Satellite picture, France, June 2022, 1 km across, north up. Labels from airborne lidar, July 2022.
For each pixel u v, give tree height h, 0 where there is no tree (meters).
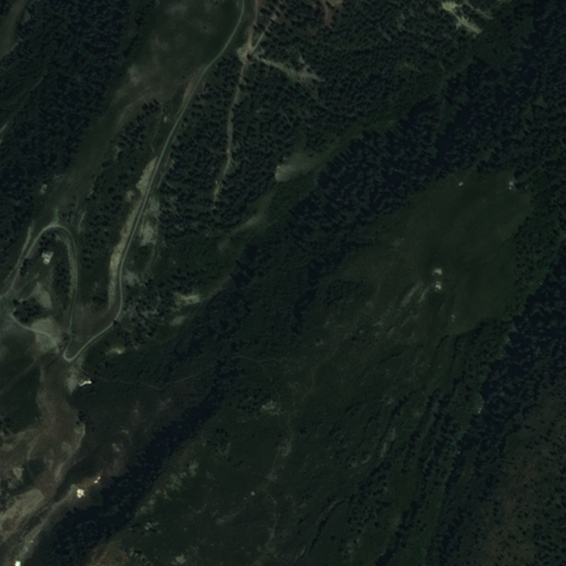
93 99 10
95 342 0
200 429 9
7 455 0
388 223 0
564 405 0
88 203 9
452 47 13
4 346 0
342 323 0
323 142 20
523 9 16
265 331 7
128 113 0
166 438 18
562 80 29
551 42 22
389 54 21
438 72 15
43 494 0
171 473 0
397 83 23
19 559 0
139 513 0
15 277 0
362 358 0
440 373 0
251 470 0
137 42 7
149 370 6
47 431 0
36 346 0
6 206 7
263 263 11
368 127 10
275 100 26
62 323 0
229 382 9
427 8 26
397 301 0
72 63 9
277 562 0
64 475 0
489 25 6
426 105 7
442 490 6
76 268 0
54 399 0
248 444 0
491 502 13
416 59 20
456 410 7
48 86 8
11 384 0
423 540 6
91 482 0
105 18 28
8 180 8
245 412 16
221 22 0
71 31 8
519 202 0
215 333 19
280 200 8
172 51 0
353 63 17
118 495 10
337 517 0
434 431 6
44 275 0
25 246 0
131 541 0
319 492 0
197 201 20
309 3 0
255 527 0
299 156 0
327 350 0
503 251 0
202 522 0
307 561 0
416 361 0
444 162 12
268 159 32
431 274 0
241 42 6
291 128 31
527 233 8
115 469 0
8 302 0
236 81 26
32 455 0
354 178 10
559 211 16
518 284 10
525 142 12
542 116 18
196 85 0
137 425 0
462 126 17
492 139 28
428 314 0
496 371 35
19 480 0
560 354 22
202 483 0
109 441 0
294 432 0
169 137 0
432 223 0
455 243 0
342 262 22
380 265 0
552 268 9
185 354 7
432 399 7
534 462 0
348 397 0
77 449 0
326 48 10
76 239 0
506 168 7
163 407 0
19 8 0
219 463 0
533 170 23
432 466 7
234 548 0
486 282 0
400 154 36
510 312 8
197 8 0
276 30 30
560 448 14
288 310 6
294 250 8
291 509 0
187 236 18
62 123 9
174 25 0
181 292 21
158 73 0
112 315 0
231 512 0
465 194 0
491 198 0
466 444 9
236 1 0
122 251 0
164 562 0
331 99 30
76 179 0
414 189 7
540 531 17
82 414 8
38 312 14
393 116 7
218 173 22
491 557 0
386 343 0
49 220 0
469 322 0
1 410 0
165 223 31
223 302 9
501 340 10
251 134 26
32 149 7
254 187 26
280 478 0
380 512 24
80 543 16
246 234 8
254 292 7
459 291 0
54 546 6
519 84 11
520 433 17
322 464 0
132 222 0
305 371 0
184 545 0
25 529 0
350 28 13
